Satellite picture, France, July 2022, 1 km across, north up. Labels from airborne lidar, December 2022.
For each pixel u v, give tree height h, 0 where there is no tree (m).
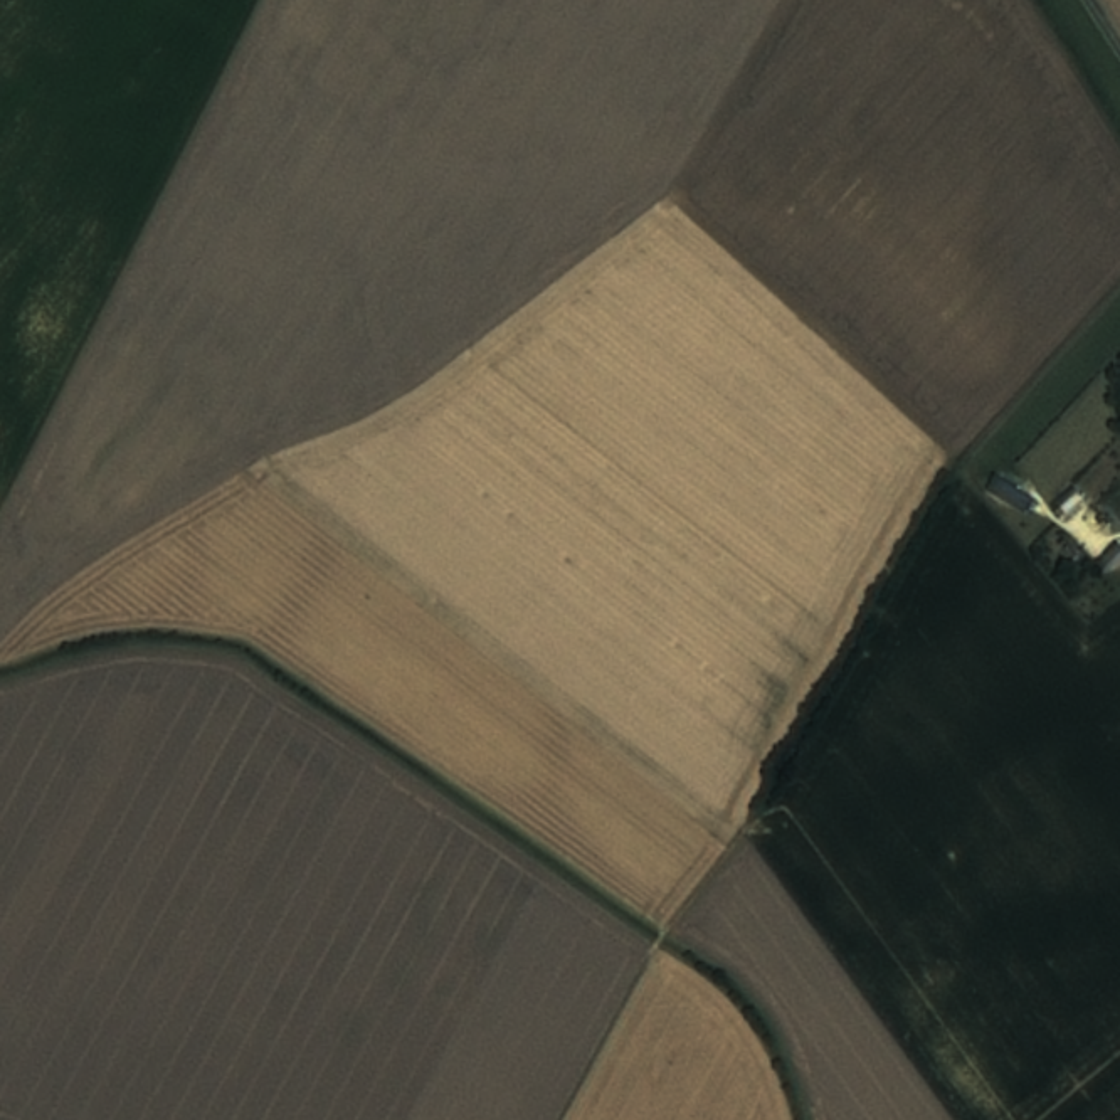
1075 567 17
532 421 0
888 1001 0
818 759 0
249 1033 0
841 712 0
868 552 0
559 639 0
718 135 0
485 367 0
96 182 0
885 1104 0
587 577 0
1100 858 0
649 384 0
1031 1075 0
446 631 0
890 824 0
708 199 0
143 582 0
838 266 0
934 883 0
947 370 0
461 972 0
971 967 0
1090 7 0
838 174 0
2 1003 0
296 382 0
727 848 0
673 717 0
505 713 0
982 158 0
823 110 0
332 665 0
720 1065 0
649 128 0
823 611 0
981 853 0
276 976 0
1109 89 0
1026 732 0
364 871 0
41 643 0
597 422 0
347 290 0
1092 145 0
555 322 0
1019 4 0
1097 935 0
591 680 0
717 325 0
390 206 0
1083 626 0
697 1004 0
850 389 0
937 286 0
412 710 0
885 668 0
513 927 0
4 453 0
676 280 0
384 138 0
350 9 0
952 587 0
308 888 0
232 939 0
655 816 0
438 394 0
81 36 0
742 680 0
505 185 0
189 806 0
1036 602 0
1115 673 0
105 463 0
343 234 0
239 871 0
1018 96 0
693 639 0
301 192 0
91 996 0
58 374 0
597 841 0
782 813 0
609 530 0
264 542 0
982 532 0
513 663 0
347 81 0
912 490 0
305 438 0
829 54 0
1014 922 0
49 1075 0
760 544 0
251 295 0
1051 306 0
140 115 0
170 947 0
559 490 0
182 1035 0
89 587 0
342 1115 0
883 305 0
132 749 0
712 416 0
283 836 0
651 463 0
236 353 0
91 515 0
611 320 0
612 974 0
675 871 0
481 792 0
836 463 0
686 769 0
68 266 0
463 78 0
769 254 0
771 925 0
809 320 0
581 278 0
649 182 0
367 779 0
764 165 0
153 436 0
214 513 0
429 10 0
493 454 0
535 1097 0
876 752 0
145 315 0
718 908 0
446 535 0
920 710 0
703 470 0
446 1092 0
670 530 0
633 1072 0
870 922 0
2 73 0
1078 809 0
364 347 0
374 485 0
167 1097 0
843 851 0
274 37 0
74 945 0
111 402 0
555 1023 0
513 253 0
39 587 0
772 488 0
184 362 0
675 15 0
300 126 0
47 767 0
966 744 0
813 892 0
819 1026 0
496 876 0
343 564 0
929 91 0
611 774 0
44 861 0
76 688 0
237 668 0
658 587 0
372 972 0
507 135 0
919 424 0
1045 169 0
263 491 0
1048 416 0
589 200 0
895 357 0
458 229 0
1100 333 0
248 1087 0
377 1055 0
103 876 0
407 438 0
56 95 0
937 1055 0
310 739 0
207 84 0
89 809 0
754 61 0
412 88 0
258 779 0
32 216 0
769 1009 0
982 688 0
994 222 0
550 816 0
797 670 0
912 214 0
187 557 0
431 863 0
